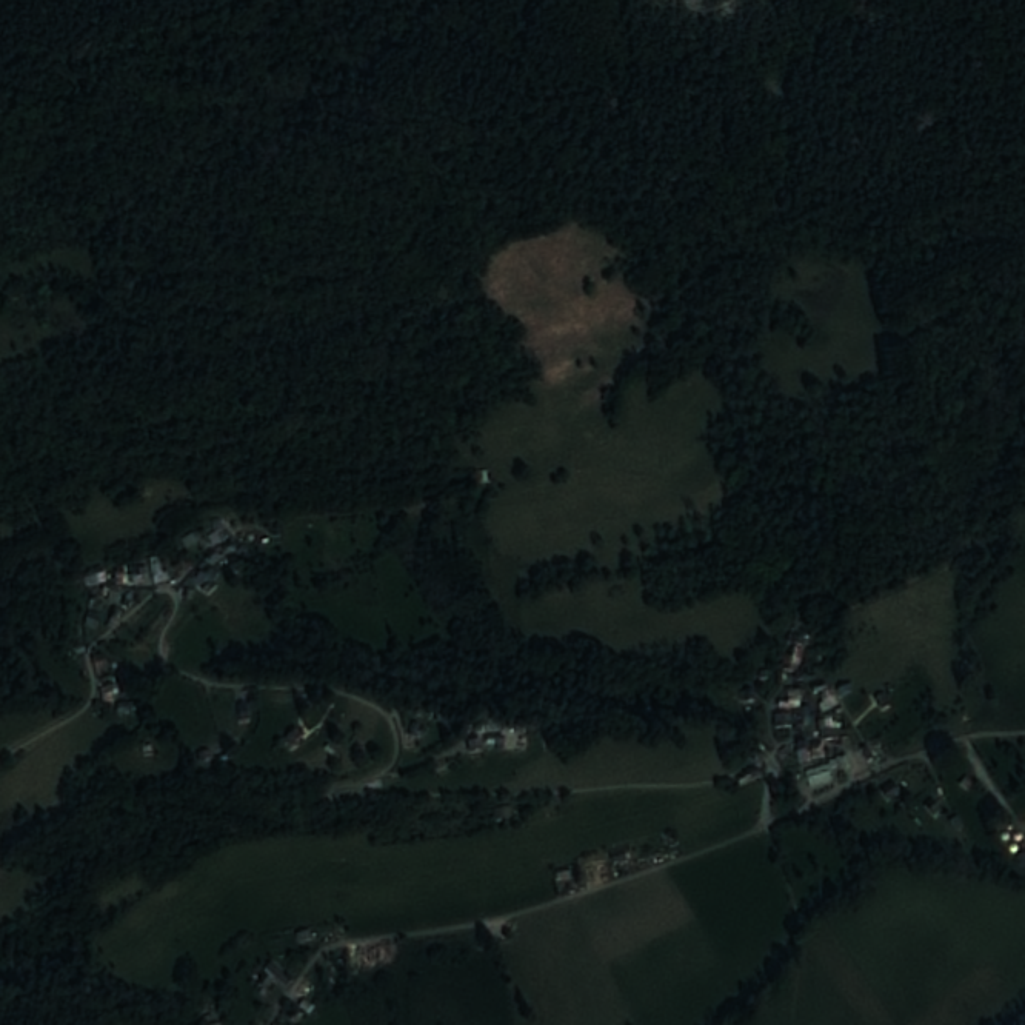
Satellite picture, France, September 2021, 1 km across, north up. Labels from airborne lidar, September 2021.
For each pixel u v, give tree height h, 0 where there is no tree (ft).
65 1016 80
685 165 85
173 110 77
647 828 0
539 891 0
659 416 0
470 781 0
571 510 0
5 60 104
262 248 77
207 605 0
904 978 0
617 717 95
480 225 72
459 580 46
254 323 60
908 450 40
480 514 35
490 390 70
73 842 83
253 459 95
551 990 0
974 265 98
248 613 0
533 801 34
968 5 93
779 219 70
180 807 86
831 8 102
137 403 69
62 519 46
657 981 0
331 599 0
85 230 65
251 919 0
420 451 54
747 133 61
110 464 62
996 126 75
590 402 0
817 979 0
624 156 78
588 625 0
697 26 51
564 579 65
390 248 85
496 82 103
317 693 76
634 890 0
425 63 100
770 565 78
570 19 46
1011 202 87
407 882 0
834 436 66
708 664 36
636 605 0
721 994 0
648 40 57
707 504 0
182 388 62
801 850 0
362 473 72
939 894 0
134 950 0
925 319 88
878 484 91
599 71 51
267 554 23
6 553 46
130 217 91
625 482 0
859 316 0
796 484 28
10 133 60
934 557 51
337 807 56
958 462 19
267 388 60
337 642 83
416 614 0
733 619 0
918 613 0
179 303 94
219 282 101
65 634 57
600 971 0
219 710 0
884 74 93
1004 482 76
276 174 70
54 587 85
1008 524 71
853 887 67
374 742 0
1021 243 84
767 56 66
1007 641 0
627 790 0
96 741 0
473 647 92
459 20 73
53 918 53
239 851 0
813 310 0
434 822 30
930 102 97
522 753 0
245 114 78
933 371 84
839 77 87
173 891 0
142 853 67
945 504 69
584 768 0
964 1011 0
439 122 85
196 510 53
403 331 58
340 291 93
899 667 0
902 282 96
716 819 0
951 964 0
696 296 77
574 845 0
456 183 54
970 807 0
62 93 80
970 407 81
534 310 0
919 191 75
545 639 0
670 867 0
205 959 0
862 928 0
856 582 45
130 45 78
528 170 99
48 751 0
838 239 70
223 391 47
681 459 0
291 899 0
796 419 73
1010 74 99
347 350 84
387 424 76
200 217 62
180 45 19
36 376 47
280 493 78
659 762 0
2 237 56
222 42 64
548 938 0
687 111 82
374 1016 0
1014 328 74
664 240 74
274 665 76
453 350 71
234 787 84
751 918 0
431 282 32
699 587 53
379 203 80
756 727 67
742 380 90
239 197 74
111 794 78
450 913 0
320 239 73
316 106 84
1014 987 0
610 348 0
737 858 0
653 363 54
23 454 67
